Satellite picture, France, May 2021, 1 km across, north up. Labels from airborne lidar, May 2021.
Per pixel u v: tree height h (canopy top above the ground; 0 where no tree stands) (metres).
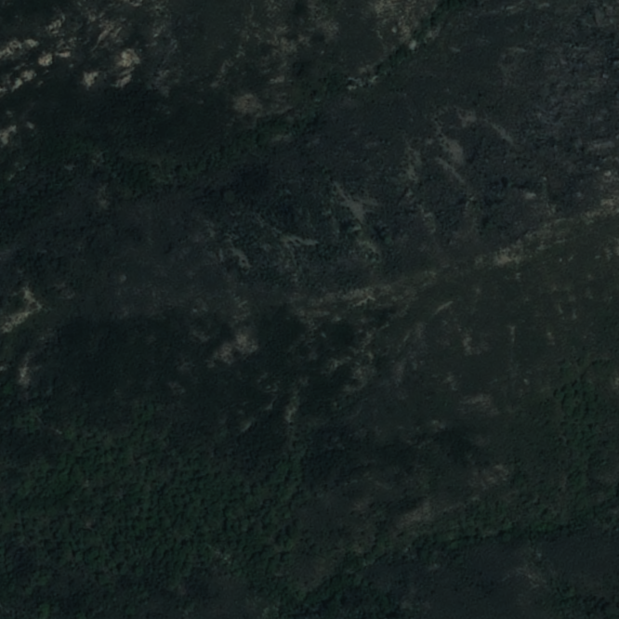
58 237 11
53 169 10
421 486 7
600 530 8
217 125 6
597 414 13
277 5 0
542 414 9
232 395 5
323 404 9
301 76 12
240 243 6
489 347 0
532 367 0
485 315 0
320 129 7
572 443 23
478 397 0
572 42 8
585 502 14
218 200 10
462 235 0
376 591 16
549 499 11
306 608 7
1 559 14
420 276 0
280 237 8
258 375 6
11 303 7
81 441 17
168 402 6
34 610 6
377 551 20
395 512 7
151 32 0
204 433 7
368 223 6
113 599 8
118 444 13
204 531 19
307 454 12
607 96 7
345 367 7
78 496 20
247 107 0
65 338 13
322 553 10
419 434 6
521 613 0
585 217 0
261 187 10
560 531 12
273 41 0
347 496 11
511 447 6
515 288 0
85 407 9
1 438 14
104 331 6
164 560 14
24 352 6
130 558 16
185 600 6
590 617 10
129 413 8
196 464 19
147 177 17
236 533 21
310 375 6
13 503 12
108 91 16
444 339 0
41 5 6
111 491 18
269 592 8
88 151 12
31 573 8
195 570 10
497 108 7
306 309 0
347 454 8
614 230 0
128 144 7
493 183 7
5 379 11
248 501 25
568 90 6
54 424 10
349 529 6
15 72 7
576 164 7
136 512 16
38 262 15
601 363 10
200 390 6
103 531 19
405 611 14
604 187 0
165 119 6
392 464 6
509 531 9
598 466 7
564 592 9
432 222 8
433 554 13
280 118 7
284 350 9
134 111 9
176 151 6
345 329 6
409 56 8
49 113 7
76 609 10
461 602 6
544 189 15
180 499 27
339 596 11
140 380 8
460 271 0
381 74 9
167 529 6
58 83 7
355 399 6
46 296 6
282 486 17
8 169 14
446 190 10
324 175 7
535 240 0
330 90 11
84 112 11
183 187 11
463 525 19
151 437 11
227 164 7
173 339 7
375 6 0
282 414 16
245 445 11
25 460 7
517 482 16
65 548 17
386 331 6
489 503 12
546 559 7
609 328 7
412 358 0
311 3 0
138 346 6
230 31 0
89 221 7
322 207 6
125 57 0
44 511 12
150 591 6
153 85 7
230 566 10
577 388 15
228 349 0
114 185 17
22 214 8
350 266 0
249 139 10
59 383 15
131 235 6
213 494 18
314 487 10
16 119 7
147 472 15
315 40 6
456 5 17
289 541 16
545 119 0
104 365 8
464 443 8
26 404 10
